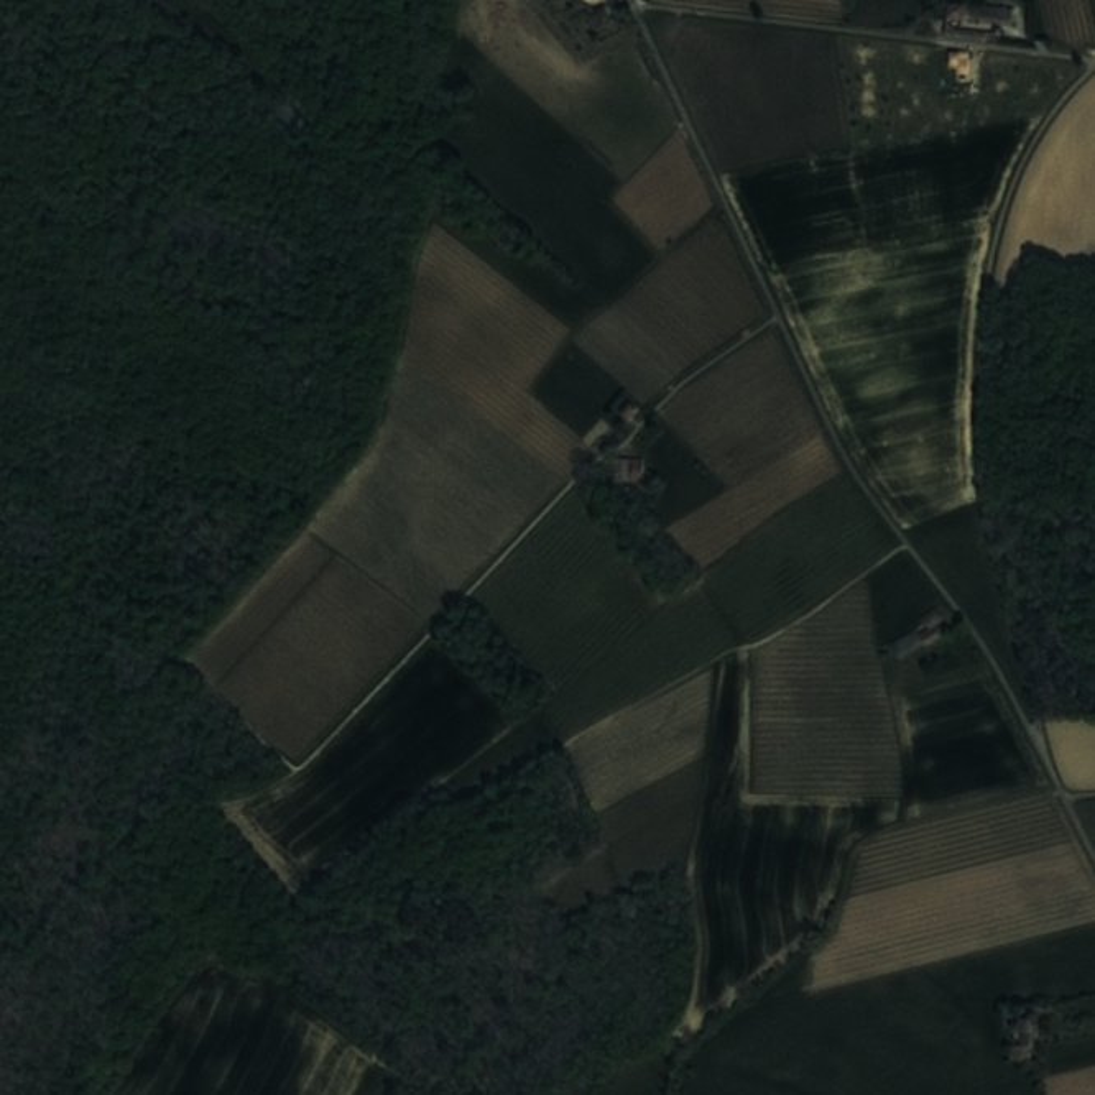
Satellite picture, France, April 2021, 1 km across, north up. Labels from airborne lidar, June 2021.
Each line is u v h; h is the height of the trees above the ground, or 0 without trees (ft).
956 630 32
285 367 65
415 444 0
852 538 0
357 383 60
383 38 59
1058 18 0
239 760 68
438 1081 35
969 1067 0
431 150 65
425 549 0
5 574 60
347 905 73
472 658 57
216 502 57
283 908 64
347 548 0
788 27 0
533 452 0
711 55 0
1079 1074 0
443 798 52
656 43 0
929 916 0
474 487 0
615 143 0
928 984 0
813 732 0
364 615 0
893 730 0
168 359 58
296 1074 0
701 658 0
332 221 65
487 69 0
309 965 60
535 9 0
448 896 73
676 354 0
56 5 55
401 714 0
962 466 0
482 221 61
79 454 61
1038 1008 19
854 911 0
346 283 77
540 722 0
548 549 0
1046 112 0
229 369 71
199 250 70
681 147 0
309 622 0
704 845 0
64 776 54
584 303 0
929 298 0
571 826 52
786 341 0
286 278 69
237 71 66
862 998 0
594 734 0
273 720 0
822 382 0
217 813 69
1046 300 72
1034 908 0
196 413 58
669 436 0
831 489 0
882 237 0
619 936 61
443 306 0
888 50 0
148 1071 0
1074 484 81
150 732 66
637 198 0
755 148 0
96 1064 69
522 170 0
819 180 0
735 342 0
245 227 52
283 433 62
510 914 65
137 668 67
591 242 0
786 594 0
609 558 0
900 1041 0
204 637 57
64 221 56
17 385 61
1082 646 71
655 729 0
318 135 68
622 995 67
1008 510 52
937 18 18
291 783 0
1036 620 78
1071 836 0
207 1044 0
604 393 0
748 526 0
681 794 0
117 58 79
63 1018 57
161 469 34
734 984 0
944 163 0
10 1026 37
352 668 0
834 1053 0
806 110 0
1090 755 0
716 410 0
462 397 0
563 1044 72
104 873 64
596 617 0
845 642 0
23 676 56
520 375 0
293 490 50
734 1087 0
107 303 73
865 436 0
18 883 51
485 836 62
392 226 62
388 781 0
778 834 0
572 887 0
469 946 78
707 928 0
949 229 0
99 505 56
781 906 0
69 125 65
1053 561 68
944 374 0
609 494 68
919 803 0
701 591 0
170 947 62
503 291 0
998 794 0
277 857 0
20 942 54
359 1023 58
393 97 66
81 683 56
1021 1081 0
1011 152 0
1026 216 0
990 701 0
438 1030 46
